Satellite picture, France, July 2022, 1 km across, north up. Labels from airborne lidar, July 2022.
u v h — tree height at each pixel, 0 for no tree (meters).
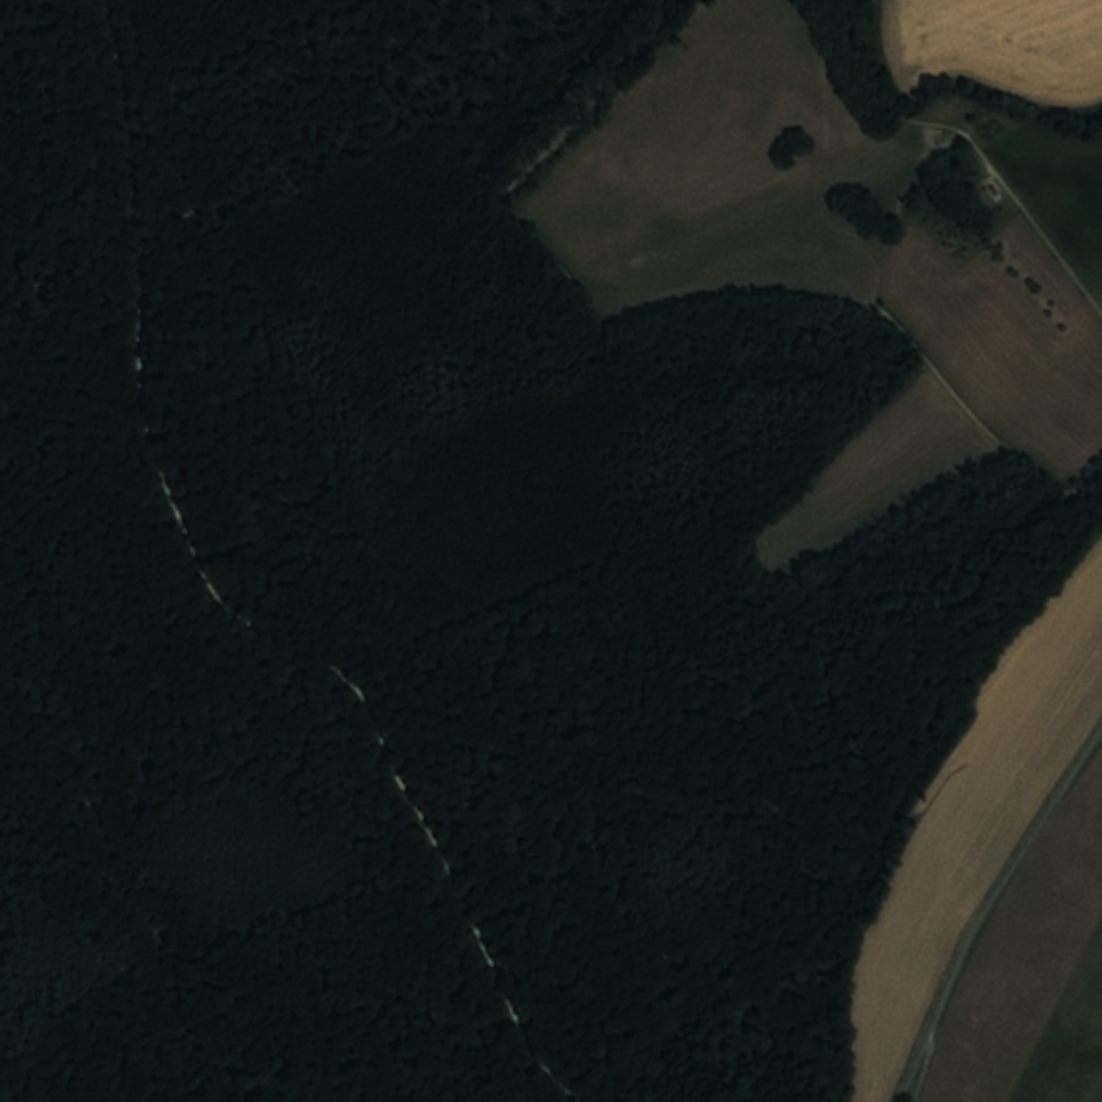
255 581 28
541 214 0
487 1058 27
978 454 0
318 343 22
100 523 26
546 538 14
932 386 0
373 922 24
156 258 26
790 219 0
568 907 28
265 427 30
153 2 18
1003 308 0
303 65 26
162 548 27
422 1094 25
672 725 28
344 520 24
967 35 0
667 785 27
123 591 22
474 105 8
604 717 27
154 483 25
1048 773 0
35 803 24
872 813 28
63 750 25
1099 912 0
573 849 31
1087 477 11
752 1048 26
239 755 24
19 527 26
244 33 16
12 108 15
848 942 28
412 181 11
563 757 29
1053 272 0
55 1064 24
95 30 25
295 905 10
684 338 27
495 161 19
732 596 18
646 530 20
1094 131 23
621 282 0
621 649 12
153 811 25
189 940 11
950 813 0
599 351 17
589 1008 29
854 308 23
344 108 25
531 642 28
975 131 0
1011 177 0
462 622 18
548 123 30
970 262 0
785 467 25
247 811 14
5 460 23
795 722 33
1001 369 0
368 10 25
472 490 14
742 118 0
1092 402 0
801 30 0
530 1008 26
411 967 28
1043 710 0
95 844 28
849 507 0
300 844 12
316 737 27
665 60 0
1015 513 24
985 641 27
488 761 26
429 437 14
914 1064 0
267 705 27
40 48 25
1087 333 0
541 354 18
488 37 28
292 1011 28
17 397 26
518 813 31
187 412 25
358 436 21
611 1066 29
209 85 24
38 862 25
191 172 26
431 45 32
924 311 0
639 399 19
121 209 26
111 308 24
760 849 25
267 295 18
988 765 0
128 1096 28
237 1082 29
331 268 19
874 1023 0
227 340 27
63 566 25
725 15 0
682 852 21
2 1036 20
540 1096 26
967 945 0
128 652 27
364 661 26
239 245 15
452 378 20
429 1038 27
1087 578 0
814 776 29
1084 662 0
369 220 13
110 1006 29
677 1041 20
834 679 27
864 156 0
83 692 26
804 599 25
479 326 20
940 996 0
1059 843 0
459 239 18
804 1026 21
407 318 21
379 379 21
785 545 0
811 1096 18
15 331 27
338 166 11
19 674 23
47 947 27
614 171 0
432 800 26
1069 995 0
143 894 27
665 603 18
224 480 28
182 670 25
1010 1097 0
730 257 0
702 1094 16
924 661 30
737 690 28
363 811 24
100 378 30
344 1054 27
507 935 27
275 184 25
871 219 30
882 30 0
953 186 22
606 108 17
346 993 25
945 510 27
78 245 27
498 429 14
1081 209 0
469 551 13
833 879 31
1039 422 0
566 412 16
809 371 19
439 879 23
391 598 25
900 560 26
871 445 0
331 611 28
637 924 23
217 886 14
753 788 25
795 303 25
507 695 30
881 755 27
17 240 28
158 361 30
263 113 27
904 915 0
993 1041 0
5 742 24
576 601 30
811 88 0
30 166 26
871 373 12
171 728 27
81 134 24
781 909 29
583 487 15
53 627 28
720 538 23
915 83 0
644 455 19
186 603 27
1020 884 0
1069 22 0
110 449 28
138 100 24
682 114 0
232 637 26
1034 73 0
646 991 30
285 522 26
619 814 29
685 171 0
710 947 29
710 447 19
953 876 0
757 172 0
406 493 11
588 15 28
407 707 25
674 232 0
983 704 0
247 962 31
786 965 25
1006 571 28
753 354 30
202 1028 26
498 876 29
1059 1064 0
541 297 17
